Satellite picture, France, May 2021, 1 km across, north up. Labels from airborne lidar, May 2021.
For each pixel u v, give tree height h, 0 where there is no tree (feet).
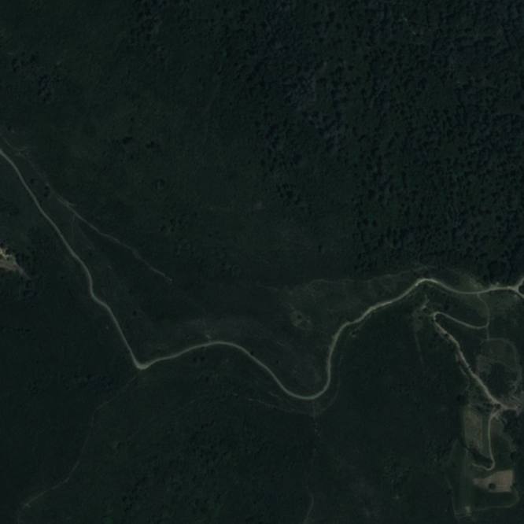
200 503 54
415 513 17
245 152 17
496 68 66
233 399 20
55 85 24
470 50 79
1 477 18
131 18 30
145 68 20
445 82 50
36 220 0
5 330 30
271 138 55
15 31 18
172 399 18
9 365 19
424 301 20
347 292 0
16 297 19
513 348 0
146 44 26
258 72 71
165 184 54
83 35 32
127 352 25
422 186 24
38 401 18
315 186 21
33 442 17
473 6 57
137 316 30
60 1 18
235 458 24
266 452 27
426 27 31
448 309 45
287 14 44
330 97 35
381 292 22
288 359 0
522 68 51
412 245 46
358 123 20
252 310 19
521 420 26
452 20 88
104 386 31
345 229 19
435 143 36
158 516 28
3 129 0
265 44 27
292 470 18
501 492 0
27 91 22
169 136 18
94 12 19
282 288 0
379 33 67
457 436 25
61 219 0
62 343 18
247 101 22
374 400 20
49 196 43
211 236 29
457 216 64
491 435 0
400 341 21
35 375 20
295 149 25
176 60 25
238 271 36
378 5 29
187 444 21
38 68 49
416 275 30
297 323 0
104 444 18
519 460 41
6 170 0
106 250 19
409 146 52
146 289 17
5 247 48
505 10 53
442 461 26
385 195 30
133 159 33
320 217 20
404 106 68
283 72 35
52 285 19
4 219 0
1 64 24
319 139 22
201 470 21
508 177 65
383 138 31
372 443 20
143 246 22
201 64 21
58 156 18
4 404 20
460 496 0
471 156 24
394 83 45
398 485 23
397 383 32
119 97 20
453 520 19
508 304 0
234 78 26
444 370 19
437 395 29
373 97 47
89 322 23
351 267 19
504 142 77
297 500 21
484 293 0
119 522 24
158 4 65
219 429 18
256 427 32
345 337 20
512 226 72
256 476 27
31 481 20
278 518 27
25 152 22
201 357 20
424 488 19
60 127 18
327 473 18
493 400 0
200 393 22
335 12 61
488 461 20
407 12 63
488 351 0
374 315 27
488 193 20
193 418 19
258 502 22
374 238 31
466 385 18
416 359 18
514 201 93
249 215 19
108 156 18
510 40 55
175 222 45
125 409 18
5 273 30
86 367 20
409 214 59
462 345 21
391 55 56
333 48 22
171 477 23
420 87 27
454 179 68
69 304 17
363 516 20
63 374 22
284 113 19
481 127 77
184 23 47
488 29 29
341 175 24
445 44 64
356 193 23
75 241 0
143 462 22
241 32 73
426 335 22
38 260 27
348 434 18
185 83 19
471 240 70
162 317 20
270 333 0
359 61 17
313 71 30
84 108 17
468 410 0
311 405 0
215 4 23
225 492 22
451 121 65
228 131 19
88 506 21
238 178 24
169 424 20
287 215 34
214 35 31
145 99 24
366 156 53
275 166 30
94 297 0
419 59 47
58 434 18
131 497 41
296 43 44
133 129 28
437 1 38
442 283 0
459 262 52
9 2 18
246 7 39
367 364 22
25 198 0
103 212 25
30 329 23
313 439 19
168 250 24
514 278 41
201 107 21
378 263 29
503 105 21
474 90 64
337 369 28
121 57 20
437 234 22
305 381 0
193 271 20
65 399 21
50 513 21
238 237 35
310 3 33
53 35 23
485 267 62
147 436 18
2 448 22
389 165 22
